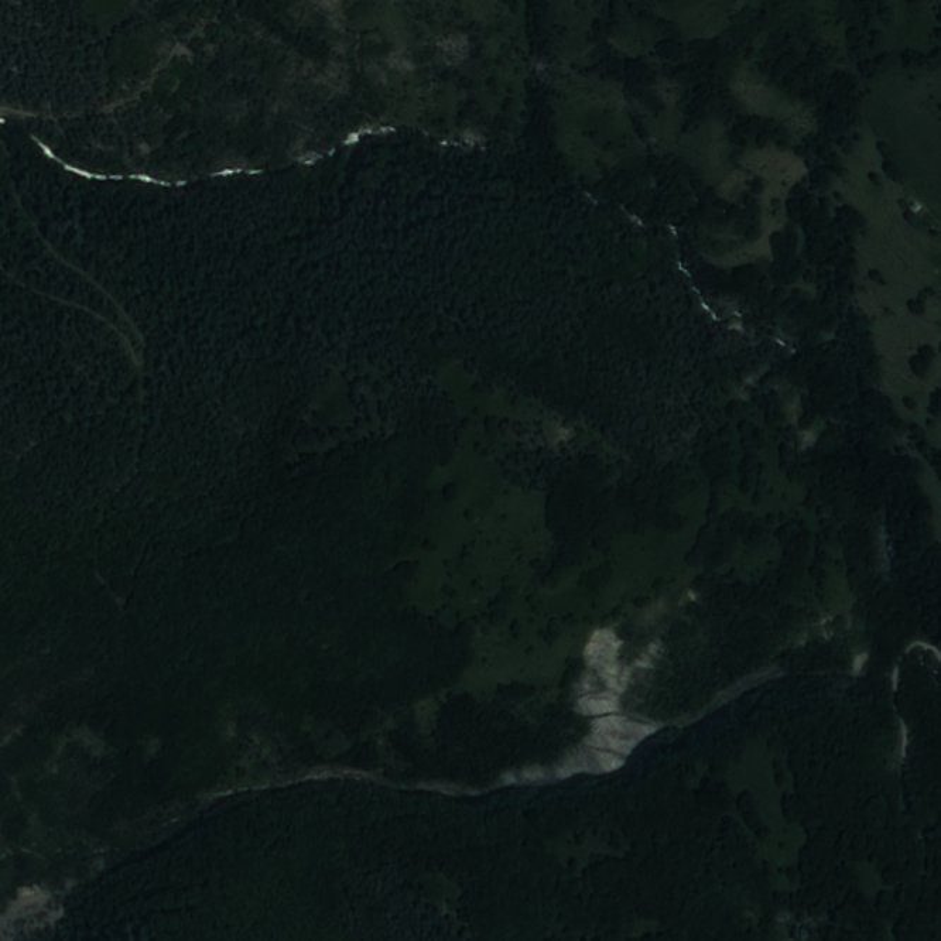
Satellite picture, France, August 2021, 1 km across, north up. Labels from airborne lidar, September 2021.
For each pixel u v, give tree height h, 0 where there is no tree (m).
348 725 10
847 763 15
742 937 27
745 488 13
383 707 14
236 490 19
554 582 15
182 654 15
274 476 19
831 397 13
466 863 23
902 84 0
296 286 26
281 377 21
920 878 31
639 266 23
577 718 19
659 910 21
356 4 6
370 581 19
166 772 10
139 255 15
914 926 20
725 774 10
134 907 14
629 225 12
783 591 10
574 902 29
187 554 9
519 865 30
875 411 24
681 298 16
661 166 12
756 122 14
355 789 15
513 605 11
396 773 9
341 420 0
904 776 10
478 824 26
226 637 11
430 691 13
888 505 16
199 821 8
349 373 9
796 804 19
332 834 15
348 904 19
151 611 11
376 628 17
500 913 18
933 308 0
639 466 7
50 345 16
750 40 7
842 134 15
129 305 11
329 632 10
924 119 0
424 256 26
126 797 10
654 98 6
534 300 24
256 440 13
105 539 14
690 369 7
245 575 12
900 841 24
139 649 13
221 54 9
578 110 0
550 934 28
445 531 0
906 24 0
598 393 15
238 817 20
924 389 0
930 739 14
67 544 14
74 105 16
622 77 12
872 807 29
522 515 0
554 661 0
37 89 19
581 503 19
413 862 15
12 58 18
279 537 12
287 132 7
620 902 21
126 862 6
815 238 22
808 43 17
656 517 15
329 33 7
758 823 19
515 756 11
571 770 0
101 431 13
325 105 6
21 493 14
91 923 8
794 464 12
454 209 26
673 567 0
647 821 19
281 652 11
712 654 7
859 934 31
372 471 17
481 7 0
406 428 15
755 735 15
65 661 10
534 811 17
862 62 8
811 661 13
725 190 0
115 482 16
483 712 13
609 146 8
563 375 20
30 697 9
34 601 9
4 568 10
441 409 22
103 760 6
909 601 14
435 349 22
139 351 9
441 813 26
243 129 6
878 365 11
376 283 25
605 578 11
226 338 15
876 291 0
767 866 9
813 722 23
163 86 11
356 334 13
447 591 6
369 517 19
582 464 15
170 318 7
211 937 20
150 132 12
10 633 11
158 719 8
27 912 0
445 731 17
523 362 17
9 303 17
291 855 12
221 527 15
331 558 14
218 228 20
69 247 19
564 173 13
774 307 12
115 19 0
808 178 11
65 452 17
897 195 0
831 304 23
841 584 0
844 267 19
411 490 21
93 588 10
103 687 11
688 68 13
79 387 10
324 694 11
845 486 19
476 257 21
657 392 15
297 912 21
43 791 7
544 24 10
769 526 7
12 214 9
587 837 21
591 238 24
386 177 22
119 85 13
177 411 17
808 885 15
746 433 16
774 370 12
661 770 12
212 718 9
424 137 18
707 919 24
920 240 0
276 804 25
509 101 9
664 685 7
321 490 18
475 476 0
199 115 8
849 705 18
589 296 22
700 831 21
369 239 28
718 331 6
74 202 29
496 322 23
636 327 22
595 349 20
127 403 26
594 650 0
